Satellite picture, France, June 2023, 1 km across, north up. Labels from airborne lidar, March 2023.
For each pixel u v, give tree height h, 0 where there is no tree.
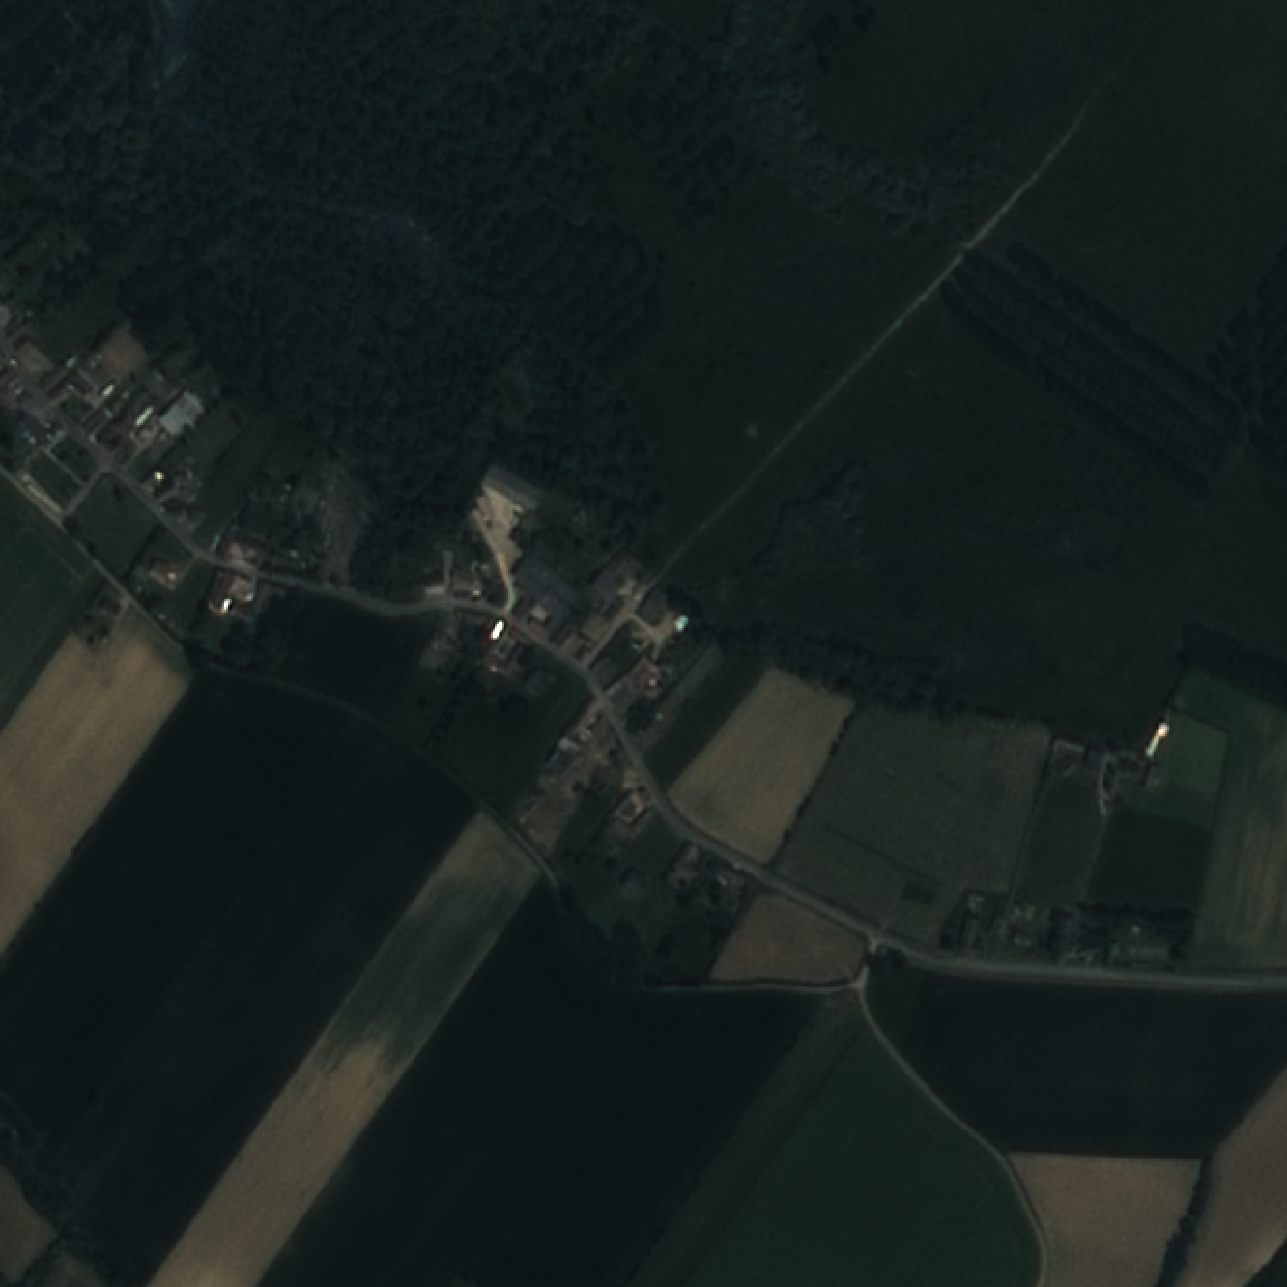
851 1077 0
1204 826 0
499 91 6
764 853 0
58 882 0
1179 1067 0
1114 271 0
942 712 17
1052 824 0
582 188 7
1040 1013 0
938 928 0
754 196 0
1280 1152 0
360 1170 0
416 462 15
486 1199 0
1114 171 0
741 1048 0
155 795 0
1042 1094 0
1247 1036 0
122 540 0
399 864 0
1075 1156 0
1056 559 0
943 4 0
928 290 0
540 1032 0
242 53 12
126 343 0
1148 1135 0
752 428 0
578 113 0
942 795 0
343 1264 0
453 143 12
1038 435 0
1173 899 0
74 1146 0
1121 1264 0
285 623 15
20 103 7
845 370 0
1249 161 0
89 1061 0
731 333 0
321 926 0
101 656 0
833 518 10
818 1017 0
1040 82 0
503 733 0
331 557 36
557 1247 0
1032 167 0
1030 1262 0
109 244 32
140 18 10
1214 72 0
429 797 0
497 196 21
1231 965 0
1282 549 0
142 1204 0
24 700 0
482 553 12
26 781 0
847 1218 0
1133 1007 0
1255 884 0
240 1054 0
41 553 0
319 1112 0
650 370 0
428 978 0
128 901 0
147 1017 0
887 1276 0
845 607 0
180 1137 0
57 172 21
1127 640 0
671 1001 0
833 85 0
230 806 0
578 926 26
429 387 18
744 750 0
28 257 0
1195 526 0
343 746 0
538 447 10
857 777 0
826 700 0
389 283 8
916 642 0
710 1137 0
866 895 0
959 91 0
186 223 6
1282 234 0
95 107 26
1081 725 0
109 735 0
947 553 0
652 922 0
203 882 0
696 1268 0
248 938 0
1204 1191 7
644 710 6
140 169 24
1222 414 33
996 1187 0
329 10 9
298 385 33
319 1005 0
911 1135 0
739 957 0
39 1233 0
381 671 0
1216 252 0
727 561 0
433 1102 0
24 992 0
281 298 31
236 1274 0
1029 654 0
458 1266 0
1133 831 0
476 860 0
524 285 33
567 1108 0
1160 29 0
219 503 0
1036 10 0
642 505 11
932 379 0
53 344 0
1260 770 0
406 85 12
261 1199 0
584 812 0
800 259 0
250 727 0
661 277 0
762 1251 0
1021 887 0
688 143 28
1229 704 0
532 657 12
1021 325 34
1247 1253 0
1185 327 0
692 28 0
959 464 0
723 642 15
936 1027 0
